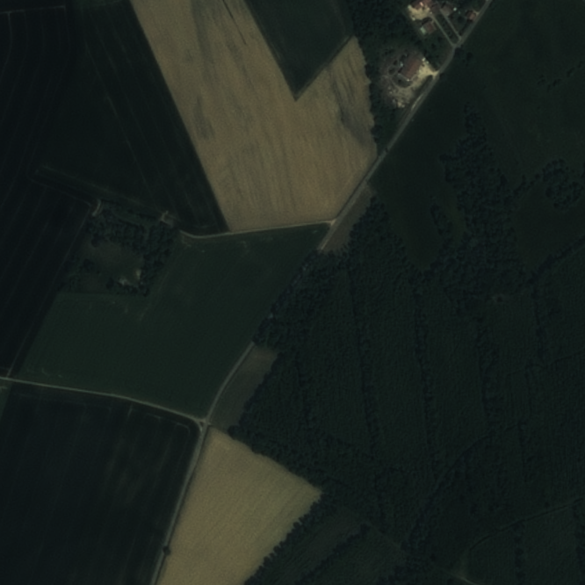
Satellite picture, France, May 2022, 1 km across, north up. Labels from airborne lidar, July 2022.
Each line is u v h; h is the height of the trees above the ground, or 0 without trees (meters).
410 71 0
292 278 0
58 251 0
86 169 0
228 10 0
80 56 0
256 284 0
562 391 6
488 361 17
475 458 17
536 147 0
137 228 18
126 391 0
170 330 0
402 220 0
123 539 0
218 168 0
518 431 8
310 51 0
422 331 20
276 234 0
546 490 8
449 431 7
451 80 0
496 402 28
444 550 11
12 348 0
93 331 0
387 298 9
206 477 0
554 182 22
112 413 0
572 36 0
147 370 0
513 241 19
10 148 0
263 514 0
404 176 0
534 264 0
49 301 0
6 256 0
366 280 8
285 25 0
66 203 0
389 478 21
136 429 0
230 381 0
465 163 25
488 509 9
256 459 0
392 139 0
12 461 0
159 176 0
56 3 0
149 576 0
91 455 0
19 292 0
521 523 8
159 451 0
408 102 0
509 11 0
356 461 8
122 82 0
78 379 0
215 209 0
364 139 0
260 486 0
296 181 0
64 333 0
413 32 12
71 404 0
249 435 19
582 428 8
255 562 0
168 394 0
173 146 0
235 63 0
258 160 0
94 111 0
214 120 0
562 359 6
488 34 0
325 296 19
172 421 0
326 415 7
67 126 0
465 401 6
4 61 0
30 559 0
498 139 0
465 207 21
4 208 0
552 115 0
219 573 0
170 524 0
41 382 0
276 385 9
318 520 14
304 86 0
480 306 26
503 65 0
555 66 0
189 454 0
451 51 0
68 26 0
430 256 0
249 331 0
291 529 0
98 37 0
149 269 16
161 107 0
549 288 8
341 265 13
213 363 0
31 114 0
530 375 13
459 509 12
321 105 0
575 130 0
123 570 0
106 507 0
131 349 0
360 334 11
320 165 0
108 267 0
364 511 22
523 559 21
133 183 0
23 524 0
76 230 0
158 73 0
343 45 0
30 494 0
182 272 0
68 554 0
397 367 6
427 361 20
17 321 0
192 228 0
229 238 0
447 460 8
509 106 0
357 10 16
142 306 0
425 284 13
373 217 18
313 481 19
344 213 0
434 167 0
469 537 10
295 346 21
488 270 30
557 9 0
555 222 0
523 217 0
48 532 0
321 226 0
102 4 0
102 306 0
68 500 0
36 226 0
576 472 7
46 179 0
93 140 0
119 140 0
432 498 17
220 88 0
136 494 0
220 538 0
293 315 23
